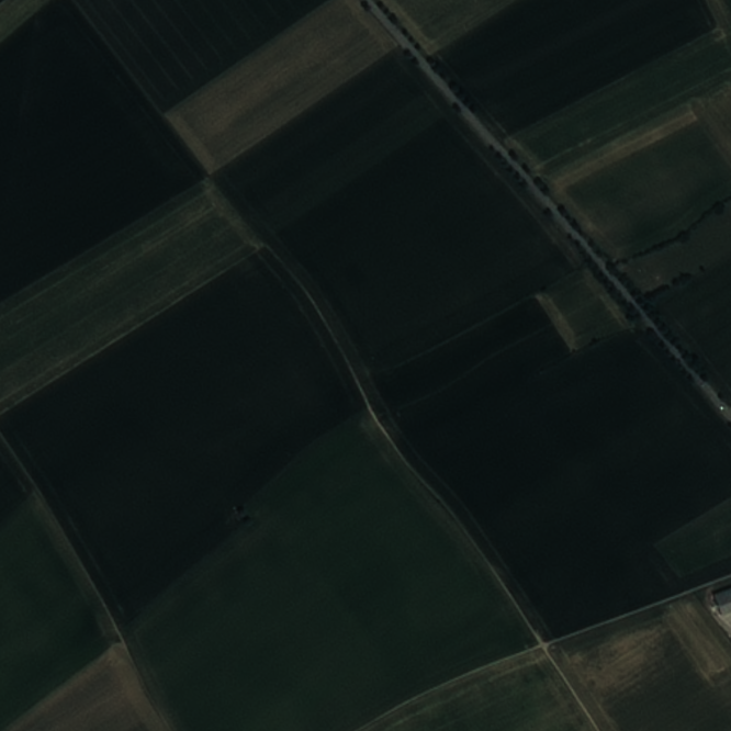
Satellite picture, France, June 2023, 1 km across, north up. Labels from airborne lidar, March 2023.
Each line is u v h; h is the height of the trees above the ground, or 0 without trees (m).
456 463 0
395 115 0
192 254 0
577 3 0
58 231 0
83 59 0
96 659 0
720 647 0
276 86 0
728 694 0
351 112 0
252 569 0
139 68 0
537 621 0
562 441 0
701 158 0
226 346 0
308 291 0
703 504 0
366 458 0
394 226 0
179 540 0
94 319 0
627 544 0
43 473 0
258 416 0
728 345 0
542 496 0
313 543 0
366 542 0
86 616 0
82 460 0
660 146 0
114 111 0
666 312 0
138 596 0
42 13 0
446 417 0
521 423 0
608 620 0
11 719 0
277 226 0
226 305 0
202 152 0
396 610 0
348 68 0
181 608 0
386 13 8
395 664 0
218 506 0
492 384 0
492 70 0
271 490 0
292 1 0
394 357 0
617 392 0
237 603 0
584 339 0
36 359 0
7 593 0
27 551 0
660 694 0
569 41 0
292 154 0
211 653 0
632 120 0
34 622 0
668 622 0
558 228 0
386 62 0
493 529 0
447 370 0
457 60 0
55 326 0
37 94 0
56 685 0
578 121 0
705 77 0
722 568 0
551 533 0
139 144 0
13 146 0
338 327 0
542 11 0
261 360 0
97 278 0
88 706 0
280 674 0
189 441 0
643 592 0
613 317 0
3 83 0
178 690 0
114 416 0
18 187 0
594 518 0
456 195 0
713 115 0
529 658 0
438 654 0
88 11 0
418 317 0
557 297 0
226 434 0
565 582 0
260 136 0
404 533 0
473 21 0
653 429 0
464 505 0
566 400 0
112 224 0
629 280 8
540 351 0
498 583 0
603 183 0
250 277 0
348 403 0
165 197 0
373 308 0
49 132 0
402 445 0
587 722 0
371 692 0
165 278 0
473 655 0
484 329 0
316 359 0
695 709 0
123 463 0
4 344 0
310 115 0
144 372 0
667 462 0
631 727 0
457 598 0
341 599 0
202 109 0
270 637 0
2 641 0
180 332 0
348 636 0
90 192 0
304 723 0
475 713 0
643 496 0
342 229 0
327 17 0
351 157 0
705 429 0
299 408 0
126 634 0
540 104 0
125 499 0
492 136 0
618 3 0
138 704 0
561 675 0
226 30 0
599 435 0
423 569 0
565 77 0
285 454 0
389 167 0
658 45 0
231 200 0
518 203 0
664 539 0
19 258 0
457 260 0
